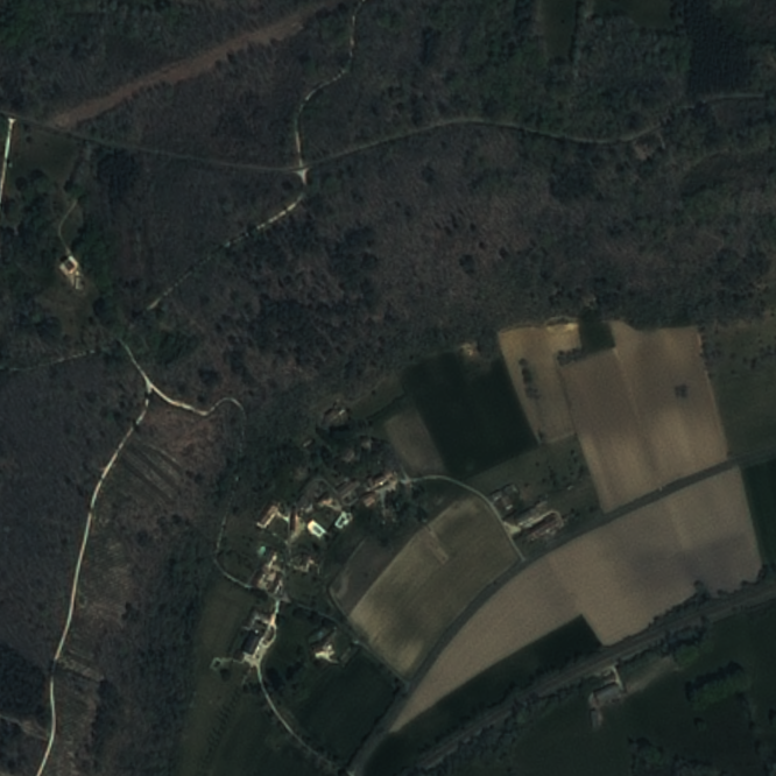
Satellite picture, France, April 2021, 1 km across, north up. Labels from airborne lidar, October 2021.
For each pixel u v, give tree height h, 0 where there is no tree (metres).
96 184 12
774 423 0
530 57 20
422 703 0
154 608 22
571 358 11
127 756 22
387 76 18
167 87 14
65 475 14
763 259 20
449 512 0
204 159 6
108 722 29
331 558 0
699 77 15
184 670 22
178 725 29
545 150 18
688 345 0
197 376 10
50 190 17
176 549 18
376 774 0
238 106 8
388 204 16
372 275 29
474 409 0
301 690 15
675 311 17
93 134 12
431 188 28
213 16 17
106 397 11
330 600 0
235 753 0
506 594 0
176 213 7
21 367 15
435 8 14
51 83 15
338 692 0
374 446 10
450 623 0
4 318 17
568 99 17
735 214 12
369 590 0
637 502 0
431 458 0
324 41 18
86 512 10
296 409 25
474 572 0
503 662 0
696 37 16
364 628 0
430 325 20
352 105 10
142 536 14
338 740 0
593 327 0
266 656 0
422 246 16
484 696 0
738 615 8
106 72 10
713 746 0
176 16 19
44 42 10
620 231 17
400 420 0
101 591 0
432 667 0
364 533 0
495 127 17
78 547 7
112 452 10
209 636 0
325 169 9
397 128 15
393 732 0
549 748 0
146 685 27
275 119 9
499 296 14
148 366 17
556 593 0
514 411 0
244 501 19
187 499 15
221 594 0
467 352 0
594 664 0
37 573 16
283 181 7
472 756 20
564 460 0
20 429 16
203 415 9
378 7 14
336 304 17
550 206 14
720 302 18
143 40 13
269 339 26
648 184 18
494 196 20
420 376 0
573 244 15
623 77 15
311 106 8
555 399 0
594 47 15
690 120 21
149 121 8
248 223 9
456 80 20
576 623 0
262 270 12
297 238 24
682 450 0
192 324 8
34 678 21
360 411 0
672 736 0
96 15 7
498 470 0
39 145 0
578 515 6
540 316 14
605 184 14
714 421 0
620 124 10
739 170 8
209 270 14
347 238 10
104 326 22
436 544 0
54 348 19
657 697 0
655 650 9
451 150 11
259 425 27
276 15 11
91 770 23
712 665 0
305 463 22
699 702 25
